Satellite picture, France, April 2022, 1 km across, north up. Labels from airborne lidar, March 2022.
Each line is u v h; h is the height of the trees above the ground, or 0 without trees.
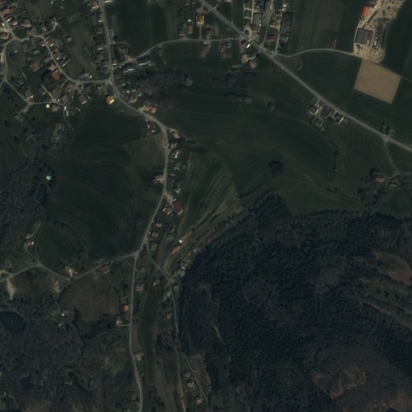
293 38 0
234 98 17
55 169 0
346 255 28
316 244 13
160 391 0
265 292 25
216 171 0
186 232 0
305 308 19
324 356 29
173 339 8
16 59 11
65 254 0
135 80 0
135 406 0
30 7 0
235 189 0
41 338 15
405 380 23
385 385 24
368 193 9
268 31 0
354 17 0
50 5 0
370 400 23
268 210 27
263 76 0
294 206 0
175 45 0
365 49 0
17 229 15
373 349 24
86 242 0
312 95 0
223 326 23
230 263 21
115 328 14
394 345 31
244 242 15
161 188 0
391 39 0
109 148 0
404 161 0
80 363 16
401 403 0
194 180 0
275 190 9
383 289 0
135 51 0
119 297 8
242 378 12
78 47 0
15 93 0
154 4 0
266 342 22
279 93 0
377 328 20
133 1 0
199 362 0
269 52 0
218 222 0
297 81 0
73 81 0
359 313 25
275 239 9
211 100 0
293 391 17
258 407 23
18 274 0
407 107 0
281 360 17
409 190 0
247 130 0
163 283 9
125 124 0
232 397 11
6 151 0
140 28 0
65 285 0
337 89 0
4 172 0
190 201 0
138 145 0
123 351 0
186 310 28
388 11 0
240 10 0
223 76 0
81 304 0
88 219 0
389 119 0
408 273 0
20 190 15
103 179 0
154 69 0
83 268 5
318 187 0
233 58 0
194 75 0
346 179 0
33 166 6
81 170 0
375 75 0
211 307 25
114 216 0
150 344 0
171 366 0
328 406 24
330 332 21
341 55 0
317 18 0
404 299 0
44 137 9
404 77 0
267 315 15
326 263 25
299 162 0
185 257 0
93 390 17
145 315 0
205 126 0
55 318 0
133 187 0
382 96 0
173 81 18
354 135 0
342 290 26
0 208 15
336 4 0
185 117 0
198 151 0
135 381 21
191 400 0
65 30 0
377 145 0
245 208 14
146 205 0
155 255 0
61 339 19
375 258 16
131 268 0
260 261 19
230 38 0
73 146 0
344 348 27
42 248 0
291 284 26
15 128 0
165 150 0
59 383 15
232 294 23
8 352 0
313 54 0
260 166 0
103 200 0
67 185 0
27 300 0
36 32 0
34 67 0
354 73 0
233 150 0
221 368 19
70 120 0
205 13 0
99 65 0
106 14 0
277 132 0
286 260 21
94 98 11
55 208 0
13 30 0
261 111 0
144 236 0
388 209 0
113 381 14
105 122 0
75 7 0
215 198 0
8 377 17
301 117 0
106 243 0
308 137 0
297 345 24
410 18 0
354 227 22
